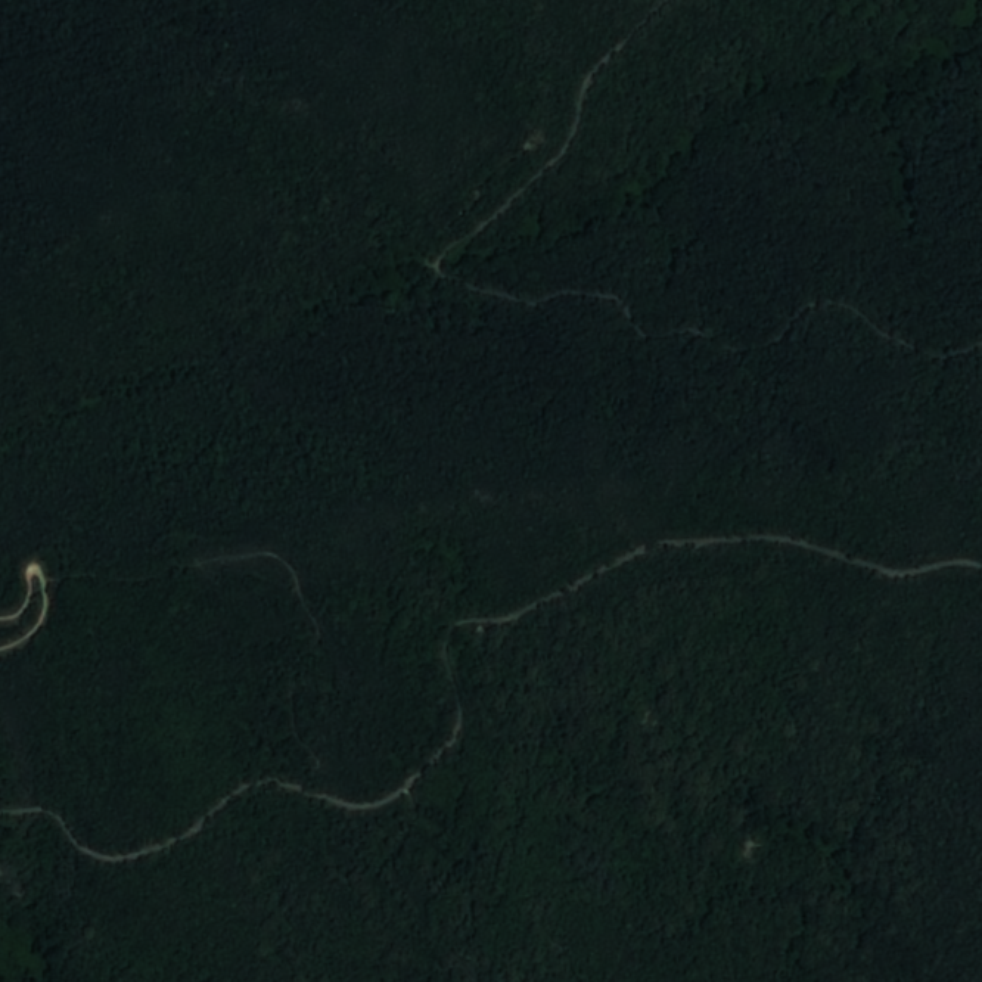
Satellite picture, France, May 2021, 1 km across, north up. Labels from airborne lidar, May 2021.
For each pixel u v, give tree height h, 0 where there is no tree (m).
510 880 11
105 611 10
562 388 11
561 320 7
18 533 9
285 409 7
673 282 14
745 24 9
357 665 5
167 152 7
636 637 10
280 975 13
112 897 7
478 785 11
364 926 11
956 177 12
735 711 8
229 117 7
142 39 8
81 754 10
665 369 6
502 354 13
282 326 11
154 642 11
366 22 9
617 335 12
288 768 10
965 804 8
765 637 13
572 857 22
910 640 9
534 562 7
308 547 9
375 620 12
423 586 8
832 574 8
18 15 7
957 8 15
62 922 12
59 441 9
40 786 9
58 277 8
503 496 6
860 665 9
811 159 15
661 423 6
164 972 13
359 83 6
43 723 6
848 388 7
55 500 6
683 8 8
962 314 9
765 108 16
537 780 9
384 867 12
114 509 7
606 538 7
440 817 10
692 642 11
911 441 10
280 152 8
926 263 19
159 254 10
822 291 9
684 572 12
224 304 11
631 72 10
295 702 7
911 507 8
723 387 14
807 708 12
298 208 9
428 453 6
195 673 6
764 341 16
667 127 14
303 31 6
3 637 6
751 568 11
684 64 8
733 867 8
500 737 11
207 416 8
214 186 9
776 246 14
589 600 8
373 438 9
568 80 10
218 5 15
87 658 7
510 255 19
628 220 14
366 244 17
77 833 8
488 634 10
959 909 8
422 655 18
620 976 6
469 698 13
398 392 14
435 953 9
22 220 11
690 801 17
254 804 11
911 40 20
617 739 10
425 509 7
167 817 10
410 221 8
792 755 14
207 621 9
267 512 7
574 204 19
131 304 10
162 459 10
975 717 8
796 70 12
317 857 12
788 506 8
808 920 14
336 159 7
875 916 16
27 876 12
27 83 9
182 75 10
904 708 10
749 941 12
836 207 12
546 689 13
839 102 16
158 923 6
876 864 12
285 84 5
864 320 10
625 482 6
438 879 12
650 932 9
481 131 7
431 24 8
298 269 13
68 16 11
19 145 6
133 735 9
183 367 10
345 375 9
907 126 16
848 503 6
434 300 7
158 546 8
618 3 11
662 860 11
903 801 6
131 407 6
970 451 10
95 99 7
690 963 6
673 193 20
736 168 16
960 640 7
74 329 8
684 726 13
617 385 14
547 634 7
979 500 11
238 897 6
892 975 14
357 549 6
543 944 7
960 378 8
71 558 7
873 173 16
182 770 13
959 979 8
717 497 11
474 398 15
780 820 21
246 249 9
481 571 14
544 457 9
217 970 10
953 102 13
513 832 12
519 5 6
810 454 13
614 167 13
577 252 15
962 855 7
